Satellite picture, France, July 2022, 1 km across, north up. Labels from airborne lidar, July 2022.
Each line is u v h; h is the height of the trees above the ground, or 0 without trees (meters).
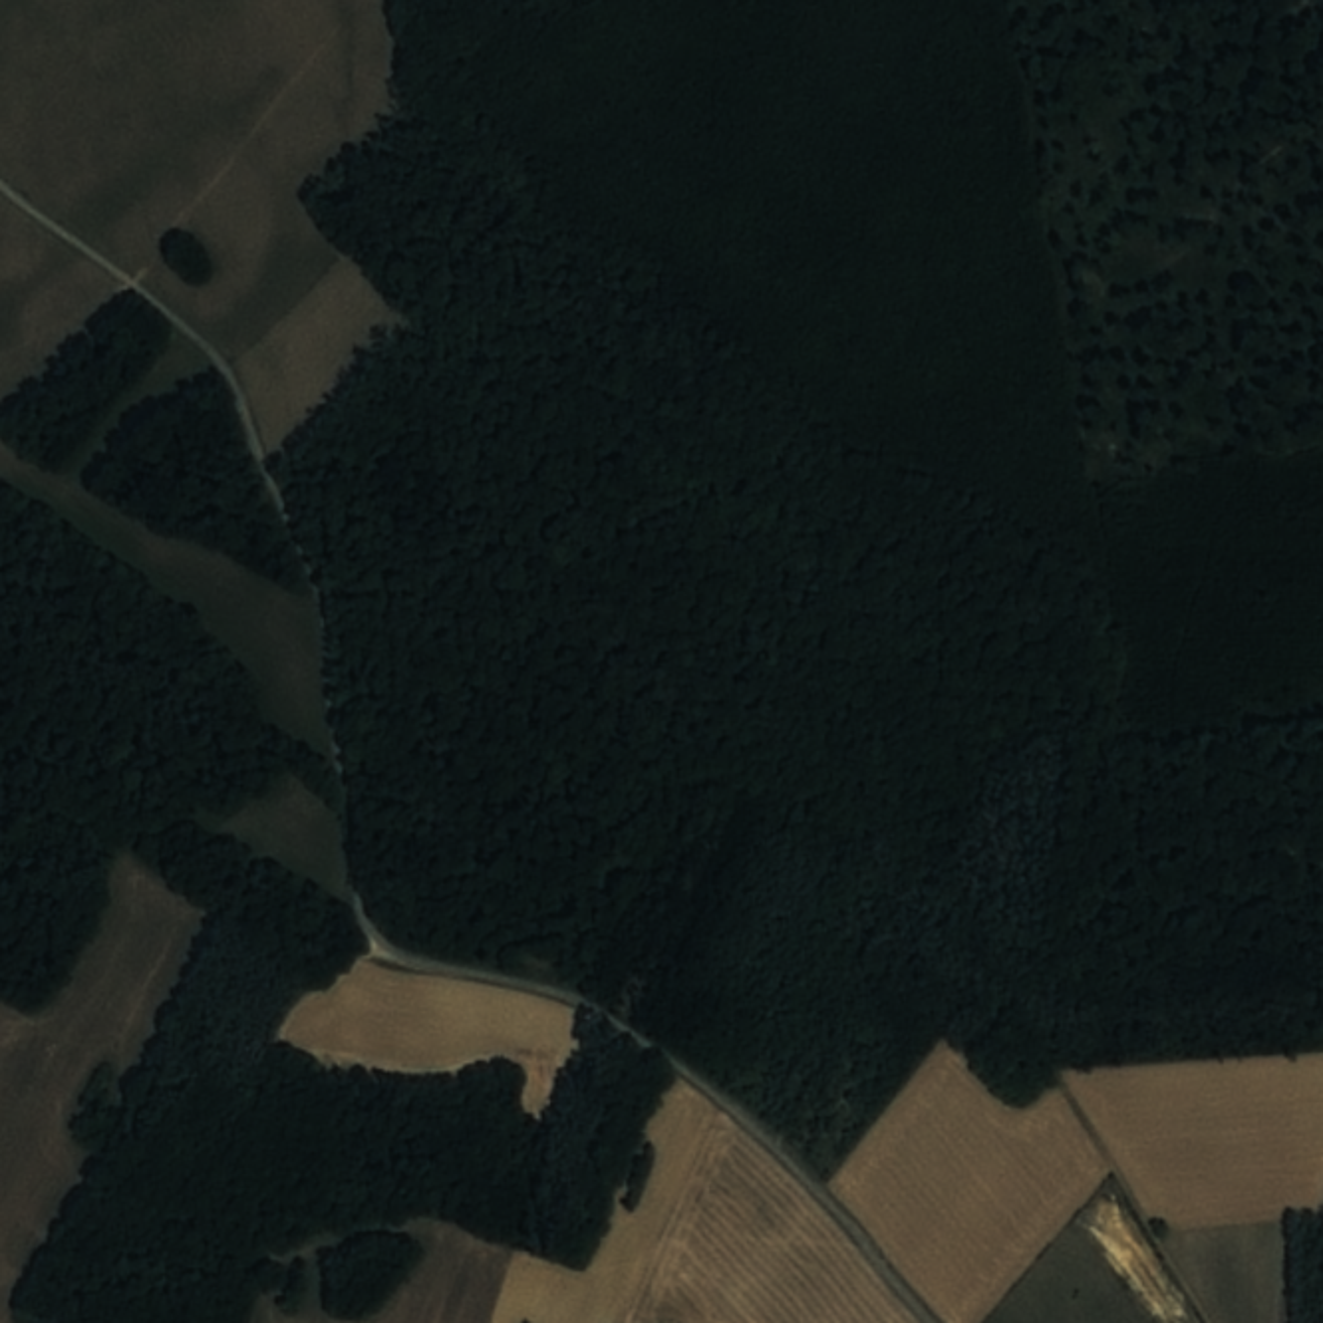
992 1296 0
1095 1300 0
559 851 32
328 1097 21
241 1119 18
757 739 22
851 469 21
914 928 20
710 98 15
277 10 0
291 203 0
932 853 27
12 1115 0
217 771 12
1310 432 29
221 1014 23
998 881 28
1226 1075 0
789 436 19
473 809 23
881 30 11
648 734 27
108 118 0
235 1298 20
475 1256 0
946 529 23
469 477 26
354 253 20
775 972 12
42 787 24
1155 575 6
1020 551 24
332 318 0
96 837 21
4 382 0
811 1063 7
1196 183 21
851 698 25
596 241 16
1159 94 24
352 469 19
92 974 0
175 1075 19
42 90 0
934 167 14
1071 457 11
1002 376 11
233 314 0
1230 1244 0
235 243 0
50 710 24
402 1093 24
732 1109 0
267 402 0
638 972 15
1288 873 27
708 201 16
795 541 24
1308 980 25
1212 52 22
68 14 0
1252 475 5
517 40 13
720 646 23
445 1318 0
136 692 23
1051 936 22
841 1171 0
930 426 13
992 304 12
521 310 18
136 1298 19
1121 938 25
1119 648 24
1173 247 22
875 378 13
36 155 0
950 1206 0
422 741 15
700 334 19
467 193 10
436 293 27
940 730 27
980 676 27
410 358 18
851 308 10
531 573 22
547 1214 17
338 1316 15
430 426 24
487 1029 0
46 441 19
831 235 16
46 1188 0
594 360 23
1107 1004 22
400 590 24
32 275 0
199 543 19
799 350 13
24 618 26
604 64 8
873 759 24
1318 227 19
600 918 26
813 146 13
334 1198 22
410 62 21
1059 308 12
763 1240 0
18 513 16
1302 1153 0
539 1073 0
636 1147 19
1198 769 28
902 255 11
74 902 24
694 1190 0
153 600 24
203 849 15
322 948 18
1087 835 24
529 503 27
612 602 23
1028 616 25
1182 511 7
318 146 0
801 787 19
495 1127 18
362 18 0
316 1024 0
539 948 27
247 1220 19
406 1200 18
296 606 0
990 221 11
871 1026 11
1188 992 23
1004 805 29
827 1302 0
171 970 0
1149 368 26
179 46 0
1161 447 25
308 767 24
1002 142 13
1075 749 28
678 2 9
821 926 14
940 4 9
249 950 24
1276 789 26
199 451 16
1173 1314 0
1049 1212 0
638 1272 0
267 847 0
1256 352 27
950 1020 10
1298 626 5
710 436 22
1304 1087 0
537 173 17
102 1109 13
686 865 22
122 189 0
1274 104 25
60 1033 0
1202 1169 0
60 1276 21
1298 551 6
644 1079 24
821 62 12
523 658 23
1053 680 24
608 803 30
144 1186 21
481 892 22
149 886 0
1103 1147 0
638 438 20
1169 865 26
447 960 13
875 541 20
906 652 23
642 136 12
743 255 13
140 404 0
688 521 22
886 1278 0
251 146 0
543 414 26
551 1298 0
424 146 20
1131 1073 0
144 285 0
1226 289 0
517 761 24
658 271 12
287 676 0
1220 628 6
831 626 23
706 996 15
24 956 25
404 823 21
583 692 27
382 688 23
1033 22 23
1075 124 20
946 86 13
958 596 24
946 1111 0
